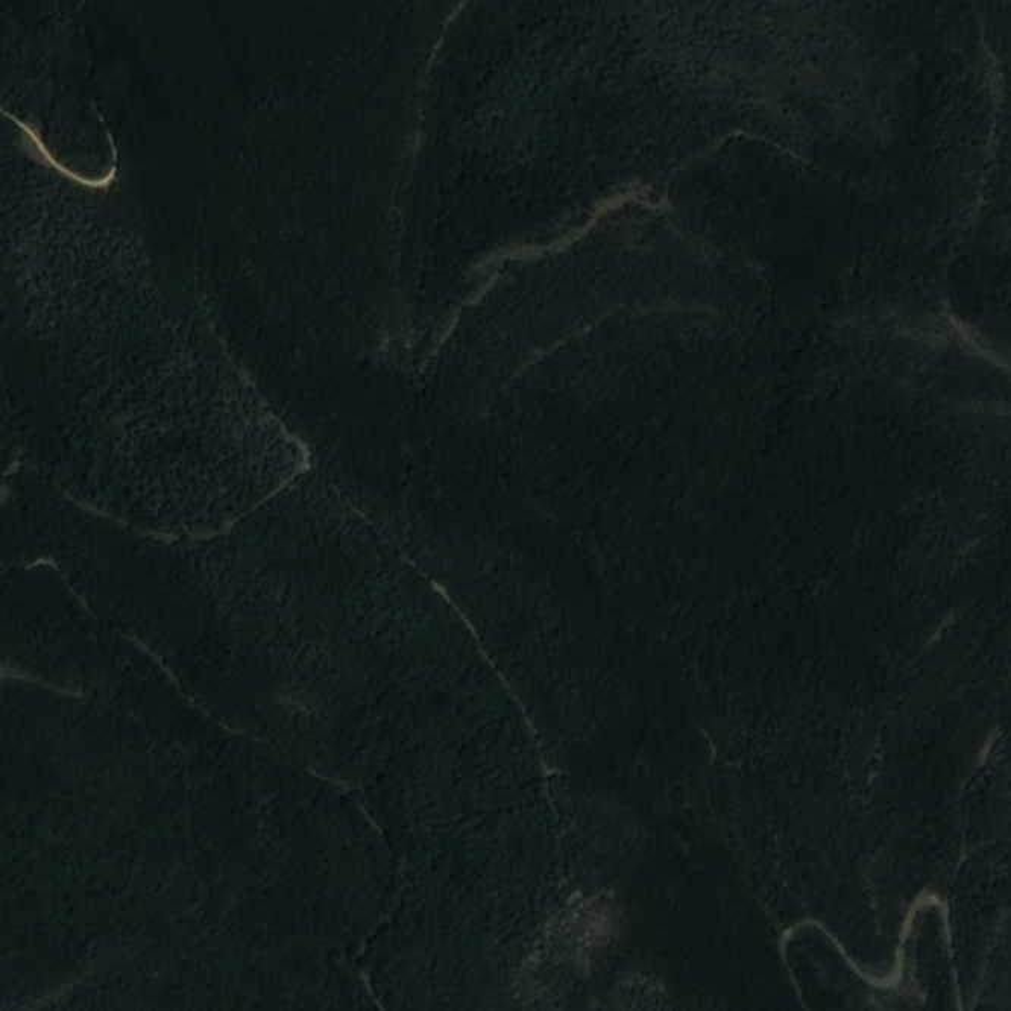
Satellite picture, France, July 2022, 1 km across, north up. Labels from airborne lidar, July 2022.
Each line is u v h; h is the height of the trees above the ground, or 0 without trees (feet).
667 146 25
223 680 47
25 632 62
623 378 32
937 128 28
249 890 48
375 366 40
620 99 31
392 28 39
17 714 42
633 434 52
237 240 47
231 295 63
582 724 28
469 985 20
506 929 33
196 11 74
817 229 52
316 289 37
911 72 29
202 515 77
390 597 51
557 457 61
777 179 38
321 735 20
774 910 20
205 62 73
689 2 33
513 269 22
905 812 51
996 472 20
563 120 49
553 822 52
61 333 52
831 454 30
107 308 45
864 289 31
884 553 44
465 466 56
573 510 46
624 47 38
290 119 50
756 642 46
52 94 56
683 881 58
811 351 36
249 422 52
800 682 39
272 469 61
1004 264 19
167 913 29
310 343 47
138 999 22
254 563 64
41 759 30
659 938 66
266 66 58
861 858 32
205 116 49
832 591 50
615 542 41
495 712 23
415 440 52
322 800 79
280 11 45
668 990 31
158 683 55
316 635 39
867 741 32
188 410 51
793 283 59
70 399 51
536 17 49
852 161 19
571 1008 30
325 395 60
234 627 56
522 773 25
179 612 49
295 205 36
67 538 24
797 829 23
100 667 27
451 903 39
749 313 37
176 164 67
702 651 40
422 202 61
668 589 36
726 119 30
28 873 35
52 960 36
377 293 34
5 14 75
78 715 19
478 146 34
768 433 35
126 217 19
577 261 19
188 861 34
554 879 35
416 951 28
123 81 88
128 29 101
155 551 43
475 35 39
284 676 42
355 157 50
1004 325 25
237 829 41
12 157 71
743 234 51
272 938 44
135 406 77
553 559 58
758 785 28
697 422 42
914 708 37
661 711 51
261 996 22
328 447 60
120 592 56
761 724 48
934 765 58
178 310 40
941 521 23
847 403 33
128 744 38
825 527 49
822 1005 44
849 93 29
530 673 32
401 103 33
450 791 52
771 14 24
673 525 37
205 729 58
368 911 30
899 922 31
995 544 29
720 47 27
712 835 45
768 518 59
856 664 51
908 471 28
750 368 63
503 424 29
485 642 45
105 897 42
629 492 30
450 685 24
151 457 44
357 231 45
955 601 36
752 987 52
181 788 31
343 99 49
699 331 35
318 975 52
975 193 40
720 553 61
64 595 69
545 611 75
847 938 21
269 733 44
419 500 62
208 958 32
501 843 49
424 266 22
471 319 38
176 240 55
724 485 61
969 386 23
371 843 59
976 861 19
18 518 25
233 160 47
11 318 55
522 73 60
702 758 41
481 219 49
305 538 43
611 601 35
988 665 56
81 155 22
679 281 23
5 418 53
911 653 20
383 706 57
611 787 32
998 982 22
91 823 28
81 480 30
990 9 27
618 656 63
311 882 45
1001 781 35
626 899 33
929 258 25
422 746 36
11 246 64
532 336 18
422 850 54
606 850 36
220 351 63
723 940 67
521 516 62
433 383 33
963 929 24
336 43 46
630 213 20
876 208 31
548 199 32
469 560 27
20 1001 20
